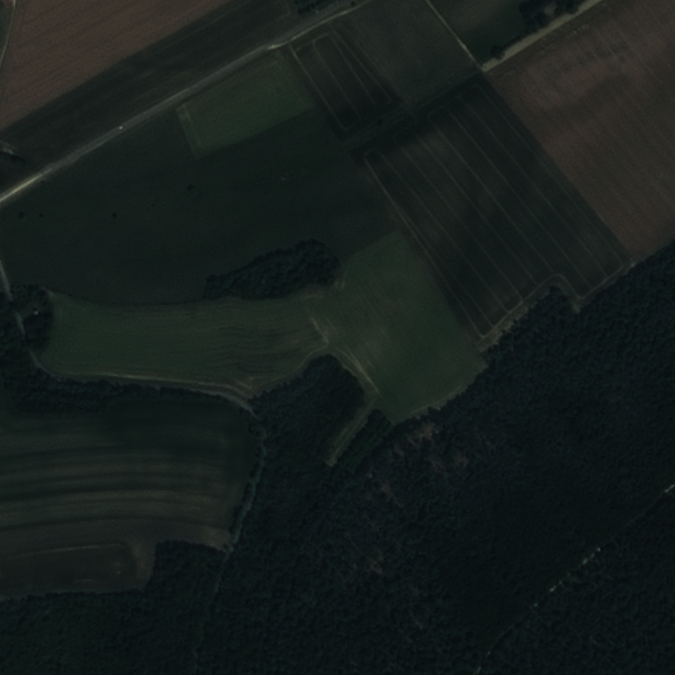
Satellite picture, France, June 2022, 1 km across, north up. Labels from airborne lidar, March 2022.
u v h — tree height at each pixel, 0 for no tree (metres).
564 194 0
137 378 0
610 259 0
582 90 0
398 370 0
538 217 0
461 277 0
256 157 0
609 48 0
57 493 0
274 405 16
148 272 0
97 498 0
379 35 0
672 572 18
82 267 0
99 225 0
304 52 0
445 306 0
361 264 0
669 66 0
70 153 0
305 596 24
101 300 0
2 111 0
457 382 0
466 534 20
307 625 18
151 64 0
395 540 21
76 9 0
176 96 0
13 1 0
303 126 0
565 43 0
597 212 0
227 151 0
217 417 0
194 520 0
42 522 0
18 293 9
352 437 0
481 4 0
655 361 19
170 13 0
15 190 0
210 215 0
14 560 0
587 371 22
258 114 0
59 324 0
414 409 0
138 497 0
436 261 0
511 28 0
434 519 22
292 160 0
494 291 0
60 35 0
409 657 16
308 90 0
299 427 13
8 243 0
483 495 20
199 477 0
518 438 16
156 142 0
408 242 0
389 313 0
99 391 17
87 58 0
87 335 0
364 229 0
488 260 0
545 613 19
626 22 0
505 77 0
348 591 20
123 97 0
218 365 0
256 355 0
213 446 0
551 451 14
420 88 0
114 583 0
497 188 0
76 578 0
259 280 11
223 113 0
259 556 28
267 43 0
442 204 0
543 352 23
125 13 0
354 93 0
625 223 0
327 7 0
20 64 0
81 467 0
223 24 0
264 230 0
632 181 0
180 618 24
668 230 0
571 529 20
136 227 0
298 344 0
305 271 9
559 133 0
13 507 0
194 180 0
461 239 0
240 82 0
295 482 25
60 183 0
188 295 0
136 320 0
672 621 18
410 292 0
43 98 0
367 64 0
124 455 0
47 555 0
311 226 0
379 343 0
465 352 0
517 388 22
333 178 0
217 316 0
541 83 0
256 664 21
